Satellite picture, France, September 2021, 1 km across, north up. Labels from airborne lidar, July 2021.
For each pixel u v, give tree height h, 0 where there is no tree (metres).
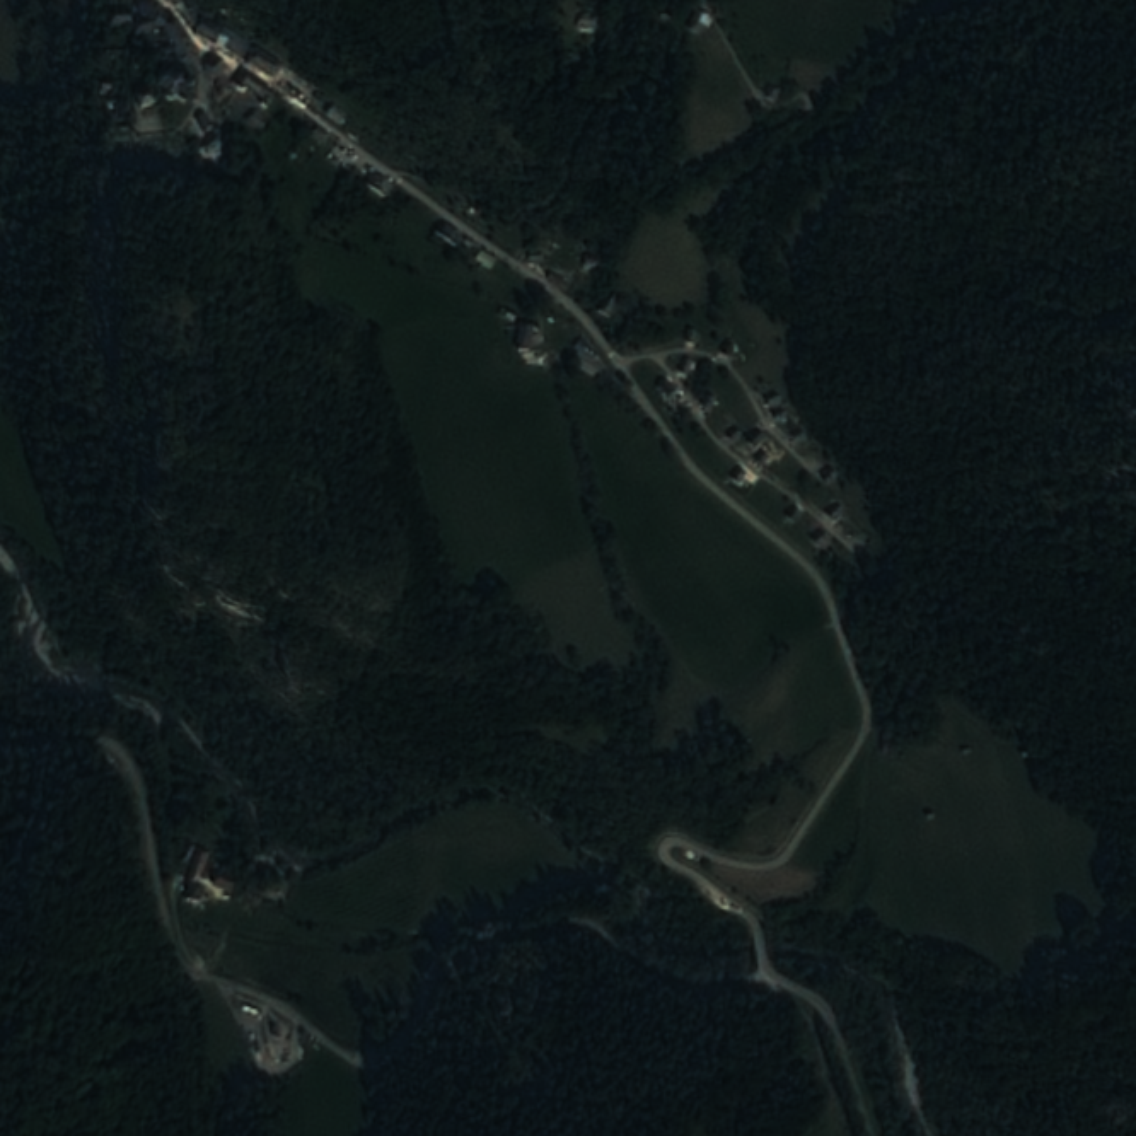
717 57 0
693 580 0
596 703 14
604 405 0
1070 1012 20
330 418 20
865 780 0
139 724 12
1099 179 10
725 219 23
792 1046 13
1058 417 8
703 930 10
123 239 21
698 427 8
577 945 16
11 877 26
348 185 11
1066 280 19
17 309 20
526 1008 26
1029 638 17
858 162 21
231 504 12
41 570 12
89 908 23
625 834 14
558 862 0
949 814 0
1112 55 28
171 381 12
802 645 0
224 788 9
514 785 26
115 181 9
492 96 12
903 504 17
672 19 20
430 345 0
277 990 0
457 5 18
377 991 0
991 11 37
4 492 0
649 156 19
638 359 0
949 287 21
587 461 18
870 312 25
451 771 26
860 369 17
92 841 24
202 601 14
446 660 13
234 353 18
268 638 19
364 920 0
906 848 0
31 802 29
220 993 0
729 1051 21
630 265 0
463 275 0
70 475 15
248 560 12
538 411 0
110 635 10
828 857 0
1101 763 24
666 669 6
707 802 7
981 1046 24
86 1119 35
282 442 19
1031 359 17
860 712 0
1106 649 17
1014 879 0
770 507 0
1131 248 17
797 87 11
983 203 13
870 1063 18
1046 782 22
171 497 11
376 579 7
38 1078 32
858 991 16
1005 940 0
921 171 18
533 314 18
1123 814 27
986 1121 13
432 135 13
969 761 0
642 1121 23
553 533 0
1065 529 23
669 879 14
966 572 29
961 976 25
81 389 19
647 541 0
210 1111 20
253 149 11
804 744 0
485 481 0
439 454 0
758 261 28
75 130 16
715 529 0
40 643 0
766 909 8
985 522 19
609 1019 25
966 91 23
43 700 22
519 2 20
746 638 0
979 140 15
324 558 19
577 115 26
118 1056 12
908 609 22
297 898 0
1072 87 28
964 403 24
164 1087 30
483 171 9
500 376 0
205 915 0
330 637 13
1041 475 7
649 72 36
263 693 11
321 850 14
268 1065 0
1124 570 22
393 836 19
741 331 0
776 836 0
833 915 8
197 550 13
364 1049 0
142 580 15
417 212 0
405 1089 26
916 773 0
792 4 0
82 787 20
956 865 0
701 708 0
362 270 0
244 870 22
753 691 0
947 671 18
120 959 33
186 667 14
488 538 0
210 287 18
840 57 0
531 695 20
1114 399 15
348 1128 0
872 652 14
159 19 0
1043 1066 32
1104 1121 15
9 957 29
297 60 8
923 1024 6
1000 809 0
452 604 12
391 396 18
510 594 21
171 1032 19
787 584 0
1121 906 30
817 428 16
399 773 22
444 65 19
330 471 14
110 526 16
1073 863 0
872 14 0
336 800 19
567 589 0
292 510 14
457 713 24
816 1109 19
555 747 9
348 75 26
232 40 0
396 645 10
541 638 9
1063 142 14
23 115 25
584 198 19
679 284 0
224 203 18
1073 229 13
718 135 0
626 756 17
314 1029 0
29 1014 32
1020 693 22
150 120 0
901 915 0
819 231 17
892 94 21
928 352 18
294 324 21
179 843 14
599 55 16
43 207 24
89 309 11
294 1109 0
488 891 0
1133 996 23
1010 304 16
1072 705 24
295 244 11
